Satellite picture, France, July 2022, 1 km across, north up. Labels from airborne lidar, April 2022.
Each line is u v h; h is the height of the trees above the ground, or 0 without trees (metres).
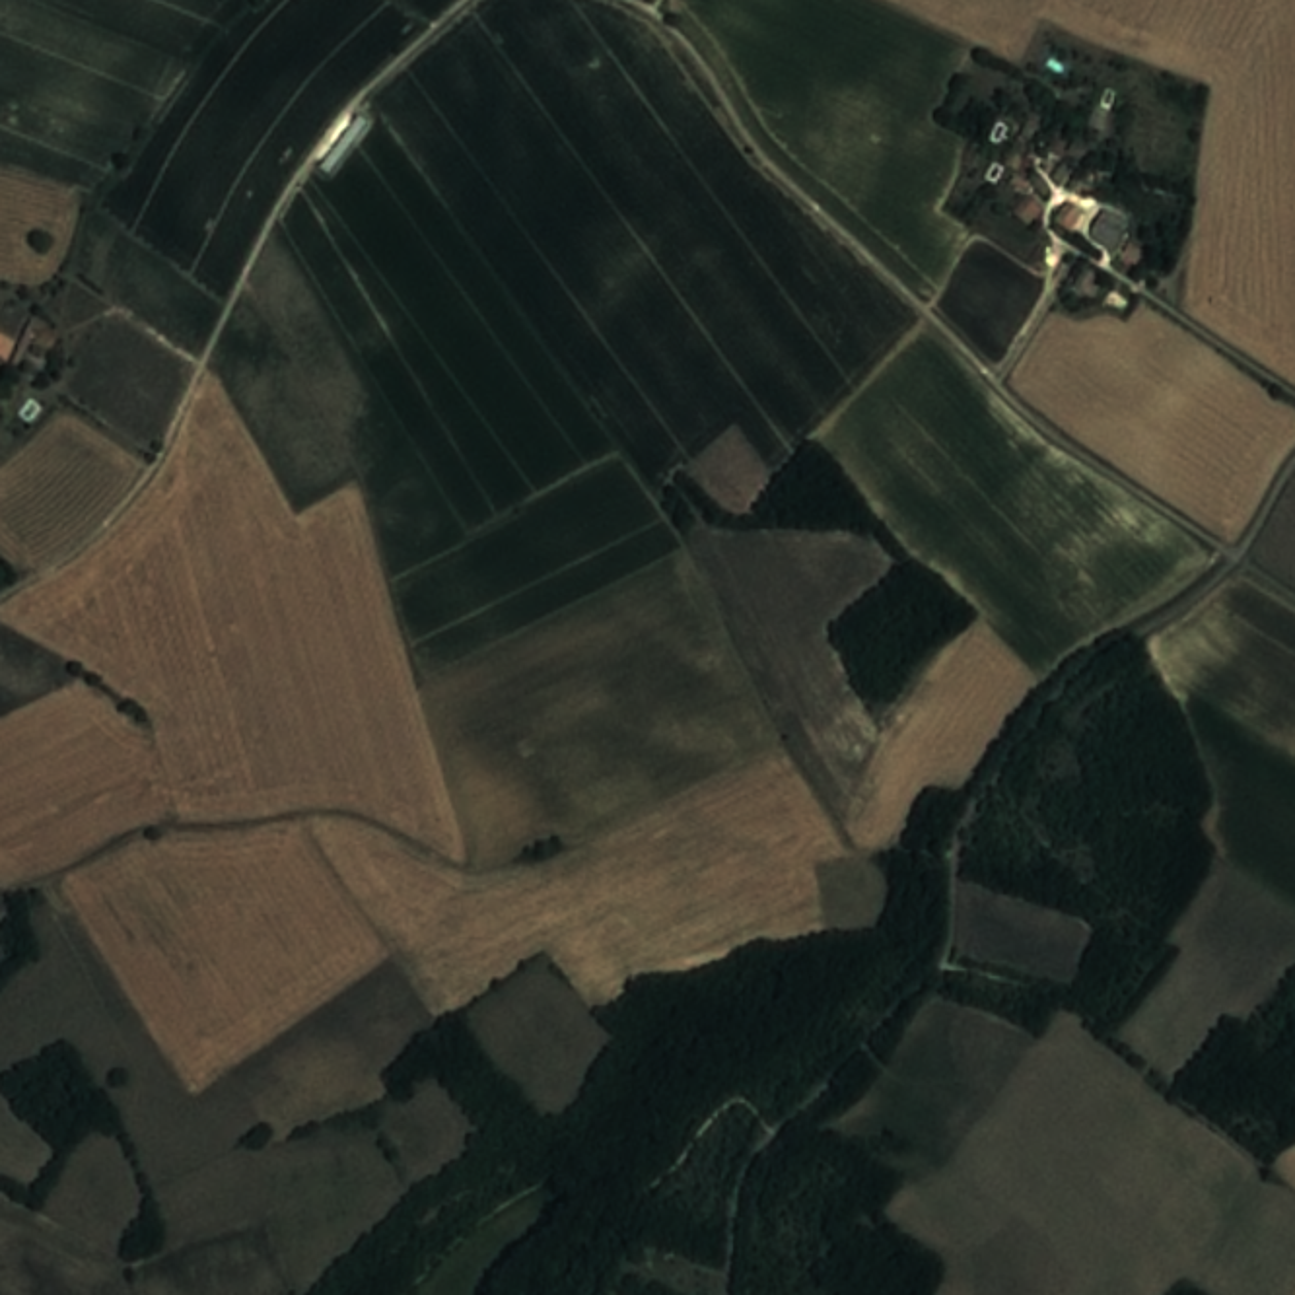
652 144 0
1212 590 0
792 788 0
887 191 0
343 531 0
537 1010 0
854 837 0
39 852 0
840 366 0
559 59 0
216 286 0
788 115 0
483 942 0
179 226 0
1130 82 0
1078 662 14
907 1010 13
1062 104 9
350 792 0
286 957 0
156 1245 13
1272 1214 0
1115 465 0
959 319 0
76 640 0
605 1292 6
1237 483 0
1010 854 7
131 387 0
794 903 0
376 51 0
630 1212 9
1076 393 0
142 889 0
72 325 0
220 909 0
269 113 0
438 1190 10
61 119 0
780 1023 15
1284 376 0
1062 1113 0
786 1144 10
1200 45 0
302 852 0
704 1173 0
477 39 0
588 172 0
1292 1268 0
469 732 0
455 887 0
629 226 0
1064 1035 0
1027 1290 0
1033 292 0
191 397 0
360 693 0
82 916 0
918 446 0
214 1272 0
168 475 0
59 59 0
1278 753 0
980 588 0
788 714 0
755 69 0
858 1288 13
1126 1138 0
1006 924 0
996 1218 0
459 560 0
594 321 0
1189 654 0
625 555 0
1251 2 0
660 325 0
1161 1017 0
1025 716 16
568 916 0
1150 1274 0
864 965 13
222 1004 0
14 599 0
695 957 0
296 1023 0
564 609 0
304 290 0
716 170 0
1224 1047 14
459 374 0
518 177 0
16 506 0
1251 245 0
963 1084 0
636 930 0
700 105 0
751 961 13
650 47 0
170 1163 0
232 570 0
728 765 0
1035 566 0
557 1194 20
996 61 8
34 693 0
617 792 0
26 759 0
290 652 0
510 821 0
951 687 0
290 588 0
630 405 0
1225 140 0
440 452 0
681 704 0
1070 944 0
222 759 0
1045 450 0
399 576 0
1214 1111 8
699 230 0
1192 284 0
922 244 0
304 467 0
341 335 0
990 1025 0
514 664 0
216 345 0
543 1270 17
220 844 0
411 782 0
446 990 0
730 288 0
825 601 0
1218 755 0
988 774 14
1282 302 0
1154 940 9
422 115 0
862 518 13
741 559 0
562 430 0
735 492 0
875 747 0
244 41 0
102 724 0
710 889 0
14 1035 0
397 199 0
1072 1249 0
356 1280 12
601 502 0
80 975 0
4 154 0
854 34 0
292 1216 0
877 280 0
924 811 11
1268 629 0
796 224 0
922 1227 0
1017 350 0
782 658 0
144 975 0
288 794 0
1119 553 0
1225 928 0
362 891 0
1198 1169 0
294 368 0
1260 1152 7
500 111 0
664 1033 15
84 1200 0
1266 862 0
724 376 0
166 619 0
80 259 0
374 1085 0
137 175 0
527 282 0
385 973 0
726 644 0
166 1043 0
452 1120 0
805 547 0
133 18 0
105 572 0
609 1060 16
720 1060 17
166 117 0
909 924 13
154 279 0
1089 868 0
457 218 0
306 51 0
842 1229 10
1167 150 0
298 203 0
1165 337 0
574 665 0
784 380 0
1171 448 0
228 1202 0
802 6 0
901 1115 0
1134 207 6
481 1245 0
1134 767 14
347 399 0
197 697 0
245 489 0
